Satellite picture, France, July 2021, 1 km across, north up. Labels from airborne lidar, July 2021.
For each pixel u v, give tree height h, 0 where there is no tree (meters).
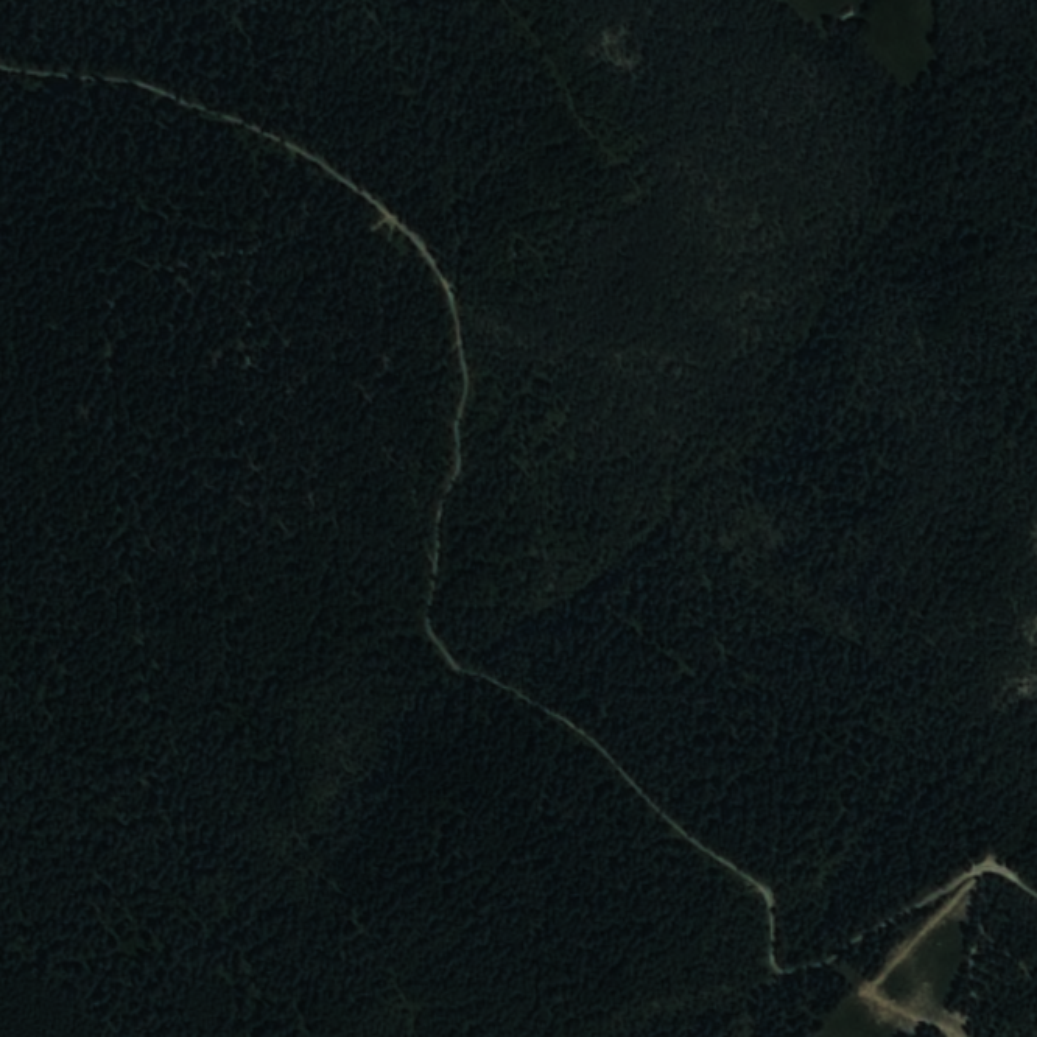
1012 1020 14
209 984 21
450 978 20
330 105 21
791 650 27
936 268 19
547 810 9
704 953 15
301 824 11
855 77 19
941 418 7
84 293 20
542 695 29
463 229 20
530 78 17
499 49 16
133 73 7
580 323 10
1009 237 18
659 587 23
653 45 14
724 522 12
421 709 21
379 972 19
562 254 8
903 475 20
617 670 29
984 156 19
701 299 8
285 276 13
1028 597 10
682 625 24
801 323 17
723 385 10
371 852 33
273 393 26
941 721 19
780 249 10
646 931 24
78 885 25
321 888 15
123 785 32
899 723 12
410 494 13
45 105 19
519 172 16
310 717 12
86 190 23
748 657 25
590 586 9
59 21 24
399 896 25
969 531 23
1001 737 16
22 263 20
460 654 24
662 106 17
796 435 9
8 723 24
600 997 19
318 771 14
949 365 14
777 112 10
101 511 15
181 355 26
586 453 12
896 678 21
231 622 18
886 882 26
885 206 10
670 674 24
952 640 14
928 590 17
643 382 8
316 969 22
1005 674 7
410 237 11
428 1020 13
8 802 27
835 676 26
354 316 23
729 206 8
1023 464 13
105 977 25
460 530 19
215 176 25
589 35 10
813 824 27
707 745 31
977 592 17
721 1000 8
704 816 26
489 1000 20
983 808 23
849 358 24
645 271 14
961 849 19
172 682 22
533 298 18
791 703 31
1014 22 20
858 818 18
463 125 23
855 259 9
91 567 12
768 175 7
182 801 31
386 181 9
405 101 19
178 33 36
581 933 30
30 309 20
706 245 11
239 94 18
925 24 0
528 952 21
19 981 23
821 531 17
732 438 14
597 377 10
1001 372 10
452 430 15
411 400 21
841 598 10
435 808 19
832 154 12
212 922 26
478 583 16
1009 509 16
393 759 22
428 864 21
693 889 17
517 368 10
